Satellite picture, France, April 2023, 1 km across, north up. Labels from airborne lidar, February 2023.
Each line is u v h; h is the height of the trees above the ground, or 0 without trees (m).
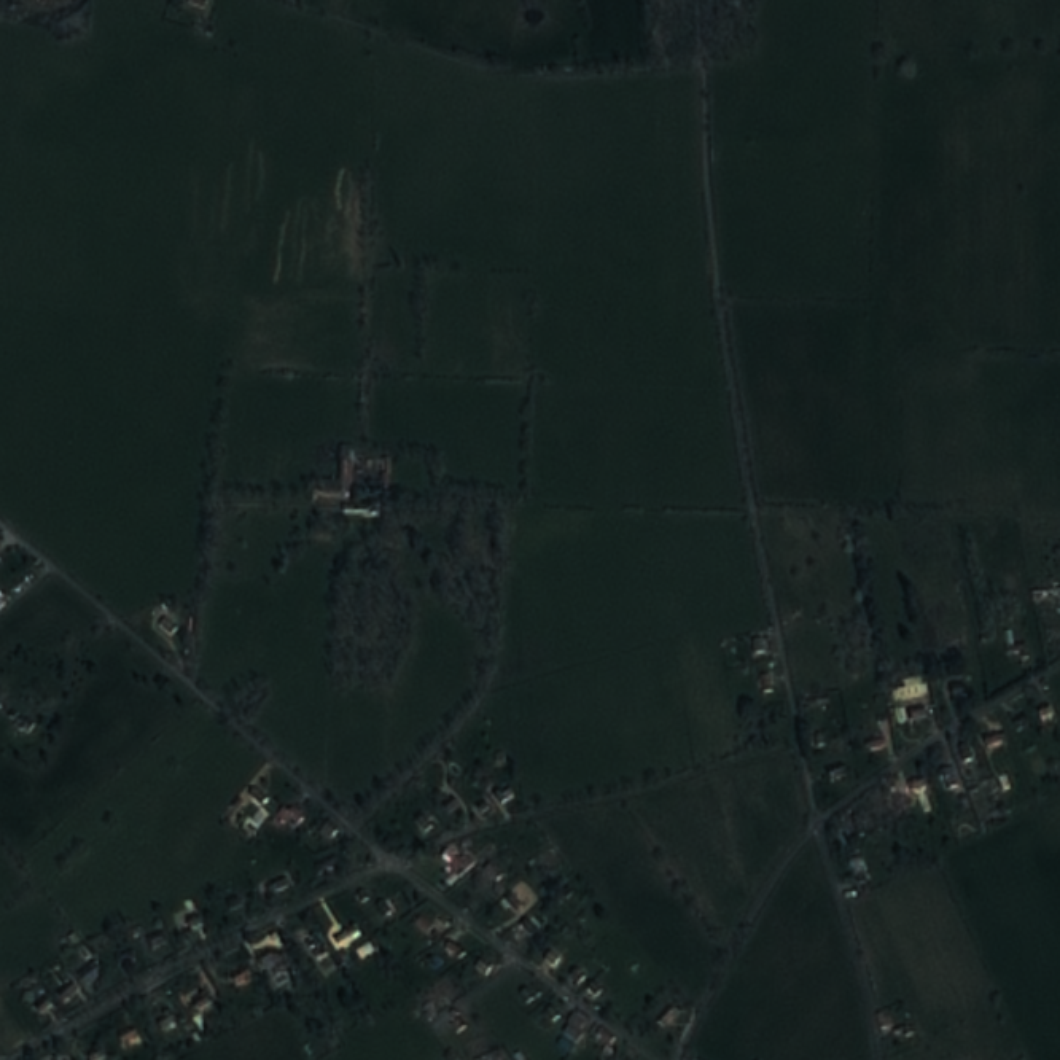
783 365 0
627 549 0
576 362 0
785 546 0
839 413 0
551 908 14
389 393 0
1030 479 0
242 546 7
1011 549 0
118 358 0
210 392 0
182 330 0
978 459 0
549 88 0
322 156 0
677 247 0
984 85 0
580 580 0
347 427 0
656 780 14
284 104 0
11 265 0
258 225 0
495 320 0
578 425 0
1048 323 0
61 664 6
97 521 0
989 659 0
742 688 0
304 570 0
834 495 0
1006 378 0
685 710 0
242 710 18
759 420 0
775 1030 0
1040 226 0
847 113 0
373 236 10
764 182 0
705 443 0
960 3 0
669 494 0
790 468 0
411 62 0
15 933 0
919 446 0
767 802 0
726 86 0
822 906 0
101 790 0
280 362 0
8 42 0
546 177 0
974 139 0
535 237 0
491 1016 0
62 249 0
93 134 0
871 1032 0
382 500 11
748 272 0
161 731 0
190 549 0
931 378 0
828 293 0
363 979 0
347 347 0
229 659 0
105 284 0
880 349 0
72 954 7
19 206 0
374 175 10
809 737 14
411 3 0
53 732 11
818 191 0
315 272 0
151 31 0
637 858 0
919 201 0
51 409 0
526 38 0
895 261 0
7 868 0
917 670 9
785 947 0
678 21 15
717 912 0
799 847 0
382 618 22
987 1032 0
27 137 0
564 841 0
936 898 0
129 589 0
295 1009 12
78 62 0
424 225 0
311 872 0
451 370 0
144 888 0
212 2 0
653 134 0
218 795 0
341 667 17
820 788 0
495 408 0
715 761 8
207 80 0
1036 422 0
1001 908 0
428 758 15
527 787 0
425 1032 0
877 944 0
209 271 0
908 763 0
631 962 0
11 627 0
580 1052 0
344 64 0
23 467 0
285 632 0
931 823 6
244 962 8
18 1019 0
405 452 14
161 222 0
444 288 0
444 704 0
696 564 0
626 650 0
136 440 0
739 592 0
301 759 0
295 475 0
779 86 0
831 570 0
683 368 0
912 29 0
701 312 0
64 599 0
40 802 0
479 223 0
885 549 0
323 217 0
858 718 0
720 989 9
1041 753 0
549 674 0
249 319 0
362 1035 0
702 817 0
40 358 0
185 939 8
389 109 0
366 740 0
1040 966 0
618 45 0
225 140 0
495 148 0
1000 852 0
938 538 0
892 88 0
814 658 0
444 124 0
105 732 0
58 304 0
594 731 0
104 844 0
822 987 0
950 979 0
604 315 0
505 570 14
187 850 0
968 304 0
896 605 0
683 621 0
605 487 0
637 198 0
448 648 0
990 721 0
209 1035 7
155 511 0
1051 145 0
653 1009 8
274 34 0
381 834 10
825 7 0
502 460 0
